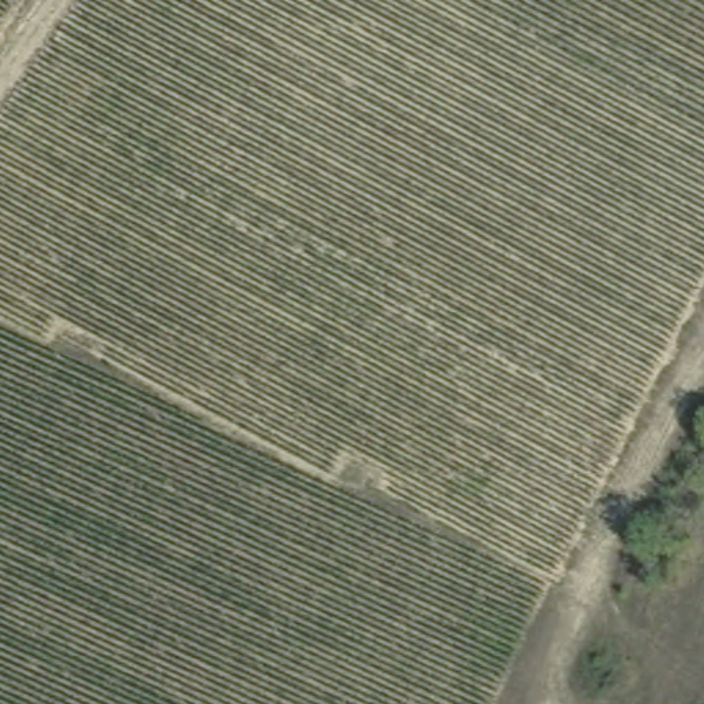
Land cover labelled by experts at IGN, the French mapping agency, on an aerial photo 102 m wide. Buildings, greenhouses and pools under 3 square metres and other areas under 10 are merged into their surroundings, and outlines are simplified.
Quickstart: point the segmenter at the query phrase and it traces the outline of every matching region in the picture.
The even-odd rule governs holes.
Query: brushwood
[[[696,492],[699,506],[704,509],[704,462],[701,470],[685,470],[685,479],[674,487],[666,487],[663,492],[666,498]]]
[[[668,564],[682,553],[685,542],[690,539],[688,531],[677,528],[677,520],[685,520],[696,512],[685,506],[666,509],[660,514],[660,523],[655,523],[649,514],[633,517],[627,528],[630,542],[619,542],[619,550],[633,550],[644,561],[646,589],[660,591],[660,583],[668,575]]]
[[[589,704],[591,699],[600,699],[602,690],[611,688],[616,679],[622,679],[624,671],[616,635],[605,635],[605,641],[597,649],[583,649],[578,652],[569,668],[569,690],[575,693],[578,704]]]

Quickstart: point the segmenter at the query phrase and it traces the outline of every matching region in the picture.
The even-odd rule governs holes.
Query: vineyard
[[[646,492],[649,481],[630,465],[619,465],[622,448],[630,435],[622,426],[622,418],[635,402],[635,393],[641,391],[641,382],[652,360],[666,347],[666,336],[677,322],[679,311],[685,308],[696,275],[704,267],[704,0],[72,0],[66,14],[50,28],[44,47],[39,47],[36,55],[28,61],[25,74],[17,80],[14,88],[6,91],[0,102],[0,704],[498,704],[509,685],[509,677],[503,677],[501,671],[520,635],[525,611],[542,611],[547,605],[558,613],[561,602],[569,600],[572,572],[583,561],[578,550],[580,539],[602,534],[608,528],[600,498],[605,492],[622,492],[635,501]]]

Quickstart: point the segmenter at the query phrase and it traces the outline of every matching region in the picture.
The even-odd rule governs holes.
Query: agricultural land
[[[646,492],[652,498],[663,498],[666,509],[685,506],[696,512],[685,520],[677,520],[677,528],[688,531],[690,539],[685,542],[682,553],[668,564],[668,575],[660,583],[660,591],[646,589],[644,561],[633,550],[619,550],[616,561],[611,564],[611,586],[600,594],[594,613],[583,624],[583,649],[597,649],[605,641],[605,635],[616,635],[624,671],[622,679],[616,679],[611,688],[602,690],[600,699],[591,699],[589,704],[704,704],[704,509],[699,506],[696,492],[666,498],[663,492],[666,487],[674,487],[685,479],[685,470],[701,470],[704,462],[704,388],[688,391],[682,399],[677,399],[679,429],[671,440],[663,465],[652,473],[649,481]]]

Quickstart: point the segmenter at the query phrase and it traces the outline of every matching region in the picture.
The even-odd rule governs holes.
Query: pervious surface
[[[39,47],[44,47],[50,28],[66,14],[72,0],[0,0],[0,102],[6,91],[14,88],[17,80],[25,74],[28,61],[36,55]]]

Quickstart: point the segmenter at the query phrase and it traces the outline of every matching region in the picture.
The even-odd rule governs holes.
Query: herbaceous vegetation
[[[677,399],[682,399],[688,391],[704,388],[704,267],[696,275],[685,308],[679,311],[677,322],[666,336],[666,347],[652,360],[641,382],[641,391],[635,393],[635,402],[622,418],[622,426],[630,435],[622,448],[619,465],[630,465],[649,481],[652,473],[663,465],[671,440],[679,429]]]
[[[575,693],[569,690],[569,668],[578,652],[583,649],[583,624],[594,613],[600,594],[611,586],[611,564],[616,561],[619,550],[619,542],[630,542],[627,528],[633,517],[649,514],[655,523],[660,523],[660,514],[666,509],[663,498],[652,498],[646,492],[635,501],[622,492],[605,492],[600,498],[608,528],[602,534],[580,539],[578,550],[583,561],[572,572],[569,600],[561,602],[558,613],[547,605],[542,611],[525,611],[520,635],[501,671],[503,677],[509,677],[509,685],[498,704],[578,704]]]

